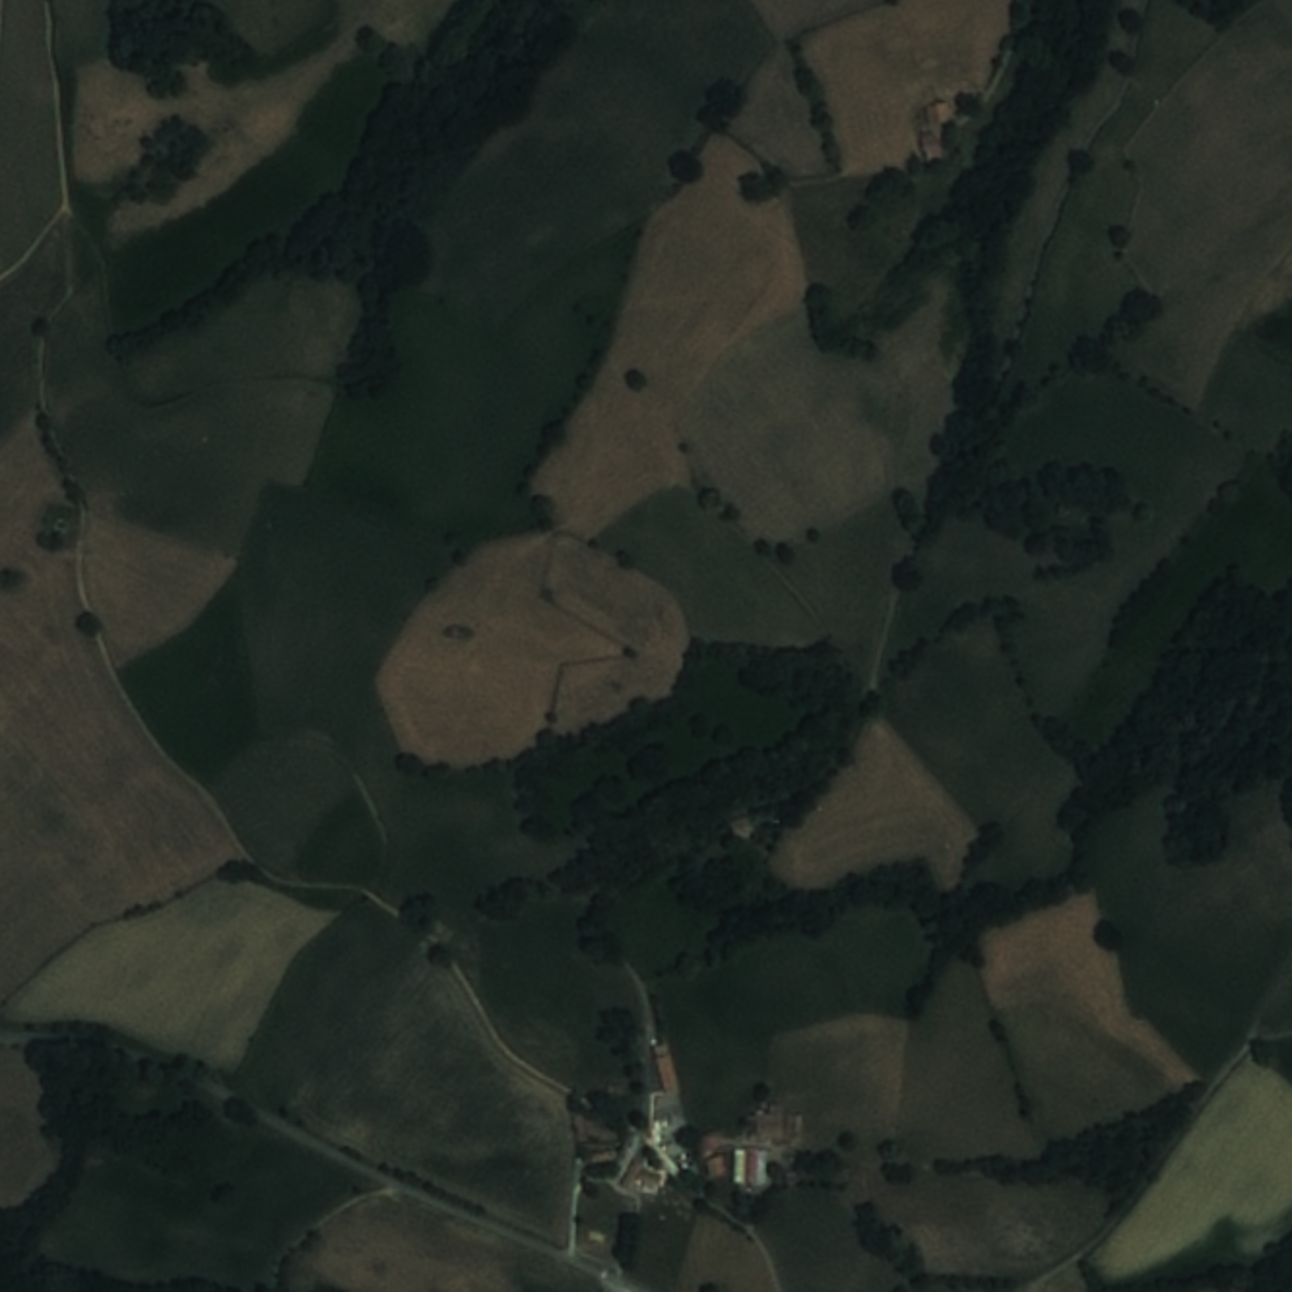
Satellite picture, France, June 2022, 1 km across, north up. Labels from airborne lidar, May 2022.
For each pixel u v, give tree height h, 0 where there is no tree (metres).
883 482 0
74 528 0
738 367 0
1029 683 10
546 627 0
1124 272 0
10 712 0
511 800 0
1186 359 0
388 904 0
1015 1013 0
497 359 0
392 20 0
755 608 0
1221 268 0
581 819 12
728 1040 0
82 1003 0
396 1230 0
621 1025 15
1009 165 18
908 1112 0
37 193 0
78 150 0
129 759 0
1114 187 0
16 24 0
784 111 0
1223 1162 0
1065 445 0
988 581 0
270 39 0
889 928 0
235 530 0
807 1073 0
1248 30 0
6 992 0
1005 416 14
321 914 0
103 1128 8
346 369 6
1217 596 13
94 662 0
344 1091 0
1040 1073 0
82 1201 0
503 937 0
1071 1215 0
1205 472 0
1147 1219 0
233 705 0
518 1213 0
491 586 0
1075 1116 0
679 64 0
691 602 0
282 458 0
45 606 0
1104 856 0
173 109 0
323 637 0
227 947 0
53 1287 24
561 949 0
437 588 6
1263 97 0
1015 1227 0
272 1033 0
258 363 0
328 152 0
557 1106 0
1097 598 0
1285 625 19
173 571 0
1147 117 0
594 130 0
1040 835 0
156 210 0
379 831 0
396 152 14
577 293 0
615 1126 14
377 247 11
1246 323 0
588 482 0
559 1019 0
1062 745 16
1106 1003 0
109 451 0
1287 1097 0
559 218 0
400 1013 0
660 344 0
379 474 0
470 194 0
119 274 0
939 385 0
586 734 10
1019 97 17
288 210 0
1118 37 0
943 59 0
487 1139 0
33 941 0
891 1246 17
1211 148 0
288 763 0
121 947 0
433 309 0
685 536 0
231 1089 0
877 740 0
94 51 0
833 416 0
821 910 16
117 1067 20
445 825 0
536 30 20
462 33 26
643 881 21
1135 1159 16
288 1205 0
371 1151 0
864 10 0
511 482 0
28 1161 0
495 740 0
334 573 0
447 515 0
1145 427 0
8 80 0
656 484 0
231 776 0
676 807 16
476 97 18
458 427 0
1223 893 0
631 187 0
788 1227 0
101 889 0
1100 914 0
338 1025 0
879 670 0
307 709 0
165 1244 0
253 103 0
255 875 8
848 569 0
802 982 0
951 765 0
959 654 0
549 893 13
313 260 14
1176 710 21
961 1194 0
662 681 0
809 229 0
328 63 0
